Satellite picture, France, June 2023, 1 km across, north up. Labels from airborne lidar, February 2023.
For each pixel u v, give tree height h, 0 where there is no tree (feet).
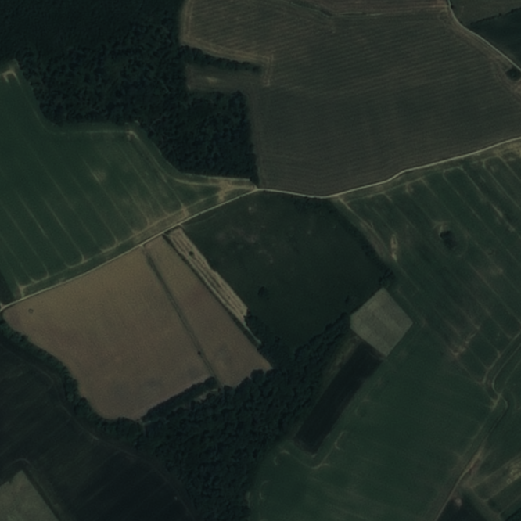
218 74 0
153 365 0
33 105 0
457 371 0
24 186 0
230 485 70
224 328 0
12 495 0
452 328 0
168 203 0
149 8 51
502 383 0
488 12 0
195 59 54
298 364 76
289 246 0
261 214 0
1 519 0
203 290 0
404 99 0
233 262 0
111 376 0
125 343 0
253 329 42
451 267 0
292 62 0
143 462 0
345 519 0
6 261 0
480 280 0
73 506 0
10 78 0
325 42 0
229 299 0
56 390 0
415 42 0
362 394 0
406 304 0
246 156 61
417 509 0
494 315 0
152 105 21
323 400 0
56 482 0
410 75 0
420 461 0
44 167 0
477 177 0
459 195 0
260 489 0
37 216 0
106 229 0
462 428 0
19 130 0
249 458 95
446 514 0
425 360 0
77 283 0
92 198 0
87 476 0
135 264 0
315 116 0
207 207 0
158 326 0
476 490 0
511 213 0
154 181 0
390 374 0
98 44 35
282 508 0
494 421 0
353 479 0
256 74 0
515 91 0
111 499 0
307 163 0
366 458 0
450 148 0
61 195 0
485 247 0
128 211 0
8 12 30
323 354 41
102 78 102
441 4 0
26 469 0
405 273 0
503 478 0
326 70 0
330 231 0
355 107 0
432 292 0
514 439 0
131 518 0
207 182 0
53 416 0
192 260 0
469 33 0
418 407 0
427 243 0
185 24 0
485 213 0
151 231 0
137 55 91
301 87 0
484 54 0
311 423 0
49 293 0
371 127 0
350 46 0
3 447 0
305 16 0
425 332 0
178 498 0
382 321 0
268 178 0
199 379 0
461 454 0
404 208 0
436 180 0
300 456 0
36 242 0
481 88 0
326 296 0
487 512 0
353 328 0
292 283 0
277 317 0
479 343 0
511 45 0
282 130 0
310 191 0
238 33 0
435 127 0
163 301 0
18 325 0
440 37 0
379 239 0
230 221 0
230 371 0
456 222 0
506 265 0
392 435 0
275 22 0
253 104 0
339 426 0
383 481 0
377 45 0
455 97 0
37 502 0
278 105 0
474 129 0
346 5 0
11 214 0
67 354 0
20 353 0
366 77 0
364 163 0
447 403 0
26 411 0
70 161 0
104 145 0
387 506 0
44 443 0
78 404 34
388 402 0
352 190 0
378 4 0
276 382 75
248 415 89
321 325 0
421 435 0
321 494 0
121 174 0
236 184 0
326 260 0
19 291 0
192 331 0
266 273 0
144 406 0
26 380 0
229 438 79
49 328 0
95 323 0
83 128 0
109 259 0
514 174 0
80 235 0
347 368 0
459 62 0
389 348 0
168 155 34
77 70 89
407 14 0
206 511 52
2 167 0
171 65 24
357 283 0
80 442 0
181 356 0
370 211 0
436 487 0
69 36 44
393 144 0
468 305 0
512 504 0
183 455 77
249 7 0
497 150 0
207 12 0
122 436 56
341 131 0
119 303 0
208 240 0
